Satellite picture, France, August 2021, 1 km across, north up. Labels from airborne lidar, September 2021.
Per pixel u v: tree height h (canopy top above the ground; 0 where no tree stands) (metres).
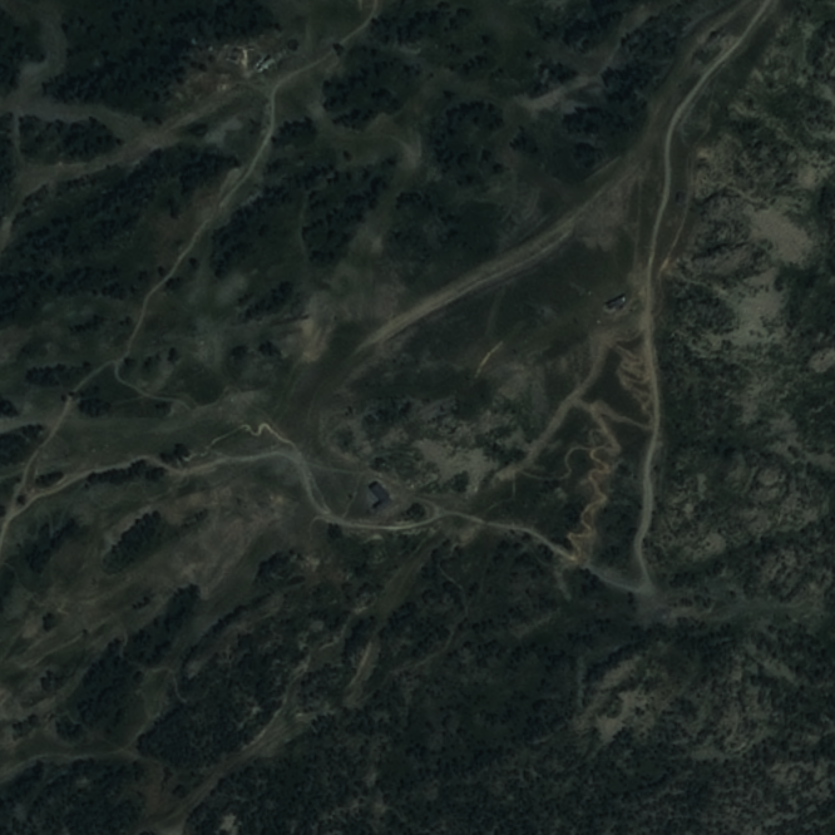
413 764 0
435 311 0
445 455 0
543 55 0
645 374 0
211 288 0
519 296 0
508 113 0
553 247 0
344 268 0
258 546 0
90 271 10
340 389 0
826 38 6
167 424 0
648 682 8
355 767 7
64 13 0
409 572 0
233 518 0
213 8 0
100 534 0
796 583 6
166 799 0
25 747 0
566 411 0
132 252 0
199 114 0
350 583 0
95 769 8
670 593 0
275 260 0
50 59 0
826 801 6
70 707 0
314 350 0
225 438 0
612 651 0
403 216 0
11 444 8
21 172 0
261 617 0
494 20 0
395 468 0
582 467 0
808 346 0
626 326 0
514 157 0
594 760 8
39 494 0
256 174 0
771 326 0
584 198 0
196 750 9
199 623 0
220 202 0
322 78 0
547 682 8
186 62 6
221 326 0
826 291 0
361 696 0
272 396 0
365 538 0
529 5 0
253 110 0
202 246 0
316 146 0
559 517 0
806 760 8
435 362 0
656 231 0
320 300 0
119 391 0
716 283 0
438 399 0
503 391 0
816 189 0
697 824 7
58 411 0
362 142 0
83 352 0
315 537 0
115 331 0
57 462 0
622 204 0
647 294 0
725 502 0
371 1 0
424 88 0
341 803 7
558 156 0
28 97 0
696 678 0
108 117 0
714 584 0
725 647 7
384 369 0
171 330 0
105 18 0
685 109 0
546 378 0
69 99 10
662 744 8
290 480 0
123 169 0
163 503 0
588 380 0
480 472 0
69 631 0
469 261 0
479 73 0
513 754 6
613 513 0
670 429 0
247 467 0
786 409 0
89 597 0
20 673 0
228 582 0
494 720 7
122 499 0
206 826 7
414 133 0
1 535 0
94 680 8
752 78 0
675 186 0
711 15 0
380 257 0
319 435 0
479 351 0
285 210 0
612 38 0
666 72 0
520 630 0
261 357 0
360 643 7
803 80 0
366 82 9
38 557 8
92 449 0
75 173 0
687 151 0
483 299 0
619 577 0
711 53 0
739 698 7
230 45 0
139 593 0
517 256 0
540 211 0
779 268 0
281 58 0
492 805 7
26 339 0
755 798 9
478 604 0
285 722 0
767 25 0
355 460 0
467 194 0
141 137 0
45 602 0
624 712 0
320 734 6
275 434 0
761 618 0
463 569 0
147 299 0
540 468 0
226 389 0
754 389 0
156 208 0
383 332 0
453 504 0
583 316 0
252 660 10
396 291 0
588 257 0
